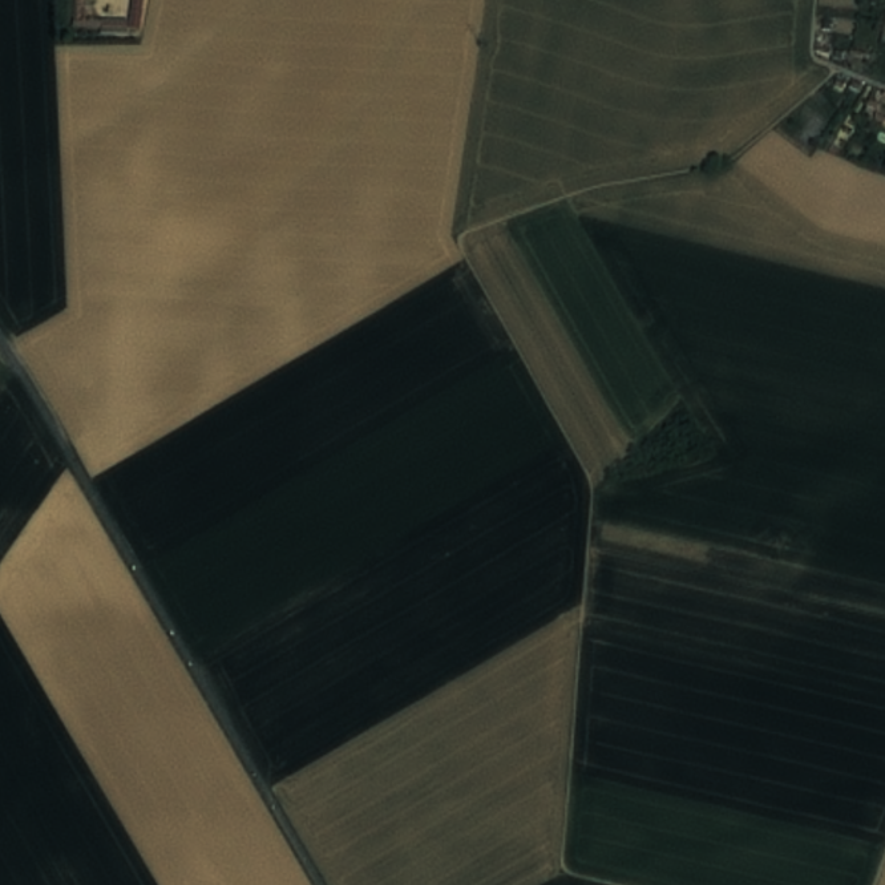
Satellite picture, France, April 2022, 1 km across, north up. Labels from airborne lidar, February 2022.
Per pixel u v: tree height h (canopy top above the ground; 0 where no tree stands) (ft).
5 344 0
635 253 0
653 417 0
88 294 0
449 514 0
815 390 0
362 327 0
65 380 0
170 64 0
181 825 0
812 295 0
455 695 0
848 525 0
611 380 0
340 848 0
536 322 0
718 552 0
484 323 0
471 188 0
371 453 0
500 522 0
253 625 0
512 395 0
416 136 0
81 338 0
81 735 0
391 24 0
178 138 0
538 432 0
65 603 0
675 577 0
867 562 0
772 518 0
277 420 0
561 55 0
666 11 0
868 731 0
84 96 0
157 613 0
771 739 0
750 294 0
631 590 0
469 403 0
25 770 0
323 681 0
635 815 0
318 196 0
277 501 0
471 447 0
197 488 0
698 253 0
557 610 0
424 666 0
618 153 0
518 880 0
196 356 0
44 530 0
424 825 0
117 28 0
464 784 0
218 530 0
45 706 0
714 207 0
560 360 0
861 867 0
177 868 0
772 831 0
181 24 0
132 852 0
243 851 0
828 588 0
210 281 0
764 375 0
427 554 0
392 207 0
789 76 0
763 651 0
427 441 0
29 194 0
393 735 0
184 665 0
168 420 0
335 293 0
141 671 0
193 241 0
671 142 0
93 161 0
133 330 0
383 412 0
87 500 0
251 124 0
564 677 0
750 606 0
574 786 0
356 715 0
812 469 0
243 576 0
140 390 0
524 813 0
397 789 0
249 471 0
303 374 0
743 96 0
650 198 0
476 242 0
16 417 0
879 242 0
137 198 0
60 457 0
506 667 0
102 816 0
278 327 0
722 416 0
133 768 0
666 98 0
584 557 0
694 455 50
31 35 0
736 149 0
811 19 0
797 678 0
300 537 0
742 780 0
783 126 0
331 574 0
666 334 0
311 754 0
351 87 0
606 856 0
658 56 0
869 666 0
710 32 0
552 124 0
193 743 0
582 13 0
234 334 0
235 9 0
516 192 0
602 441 0
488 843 0
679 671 0
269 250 0
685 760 0
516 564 0
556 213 0
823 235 0
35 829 0
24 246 0
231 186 0
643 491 0
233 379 0
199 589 0
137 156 0
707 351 0
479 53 0
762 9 0
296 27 0
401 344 0
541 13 0
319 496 0
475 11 0
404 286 0
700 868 0
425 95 0
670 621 0
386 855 0
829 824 0
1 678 0
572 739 0
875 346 0
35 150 0
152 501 0
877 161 24
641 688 0
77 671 0
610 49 0
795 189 0
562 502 0
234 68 0
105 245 0
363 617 0
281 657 0
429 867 0
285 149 0
